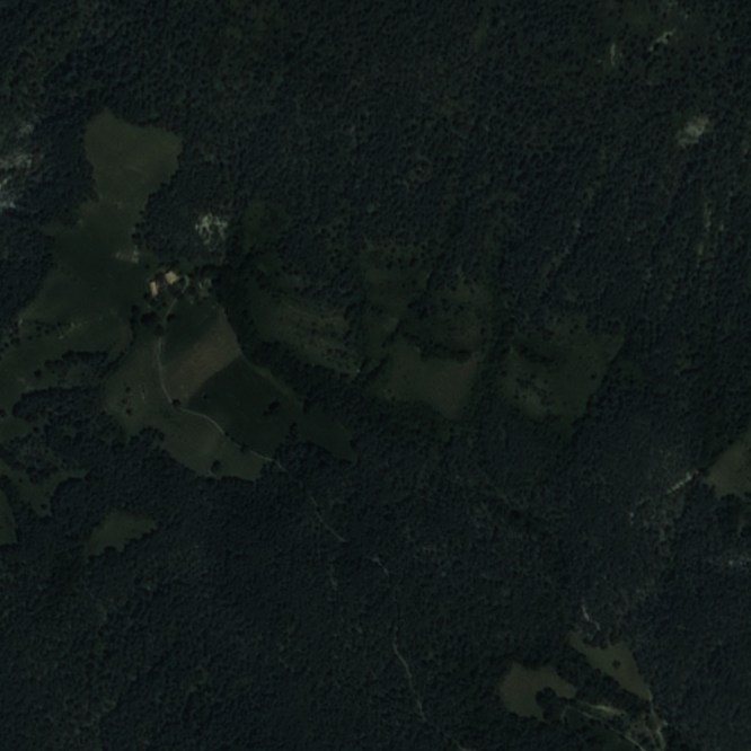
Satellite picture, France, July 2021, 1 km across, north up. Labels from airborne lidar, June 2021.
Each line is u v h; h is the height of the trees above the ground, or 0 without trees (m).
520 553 14
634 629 7
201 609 10
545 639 13
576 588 15
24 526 13
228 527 18
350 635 12
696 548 14
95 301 0
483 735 16
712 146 11
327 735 15
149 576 8
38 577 11
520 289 13
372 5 16
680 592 13
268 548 20
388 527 14
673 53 14
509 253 14
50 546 17
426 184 10
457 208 10
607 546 14
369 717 16
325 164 9
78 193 10
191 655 13
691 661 9
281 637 10
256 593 15
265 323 0
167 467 14
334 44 7
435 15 15
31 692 14
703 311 13
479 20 13
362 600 12
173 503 7
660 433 13
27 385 0
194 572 6
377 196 10
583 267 14
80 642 8
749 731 13
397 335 9
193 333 0
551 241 12
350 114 9
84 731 14
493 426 10
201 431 0
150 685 18
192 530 7
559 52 7
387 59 9
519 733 16
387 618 13
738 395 8
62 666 13
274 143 7
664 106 7
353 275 14
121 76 13
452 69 8
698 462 14
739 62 10
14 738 9
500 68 12
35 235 10
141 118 6
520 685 0
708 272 11
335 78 13
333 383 18
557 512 10
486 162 12
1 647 15
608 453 11
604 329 9
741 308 15
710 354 11
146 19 7
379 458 13
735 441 12
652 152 8
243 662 11
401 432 23
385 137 12
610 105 11
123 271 0
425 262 10
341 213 9
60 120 15
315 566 15
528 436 14
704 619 11
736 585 13
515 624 17
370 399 12
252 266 13
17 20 12
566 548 11
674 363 13
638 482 8
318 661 13
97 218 0
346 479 14
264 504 18
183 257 6
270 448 0
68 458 11
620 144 10
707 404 18
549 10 11
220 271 11
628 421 15
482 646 7
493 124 11
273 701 13
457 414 0
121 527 0
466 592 16
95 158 0
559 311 8
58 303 0
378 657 16
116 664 10
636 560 12
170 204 13
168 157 0
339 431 0
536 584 14
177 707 11
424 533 13
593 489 13
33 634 14
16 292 12
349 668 15
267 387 0
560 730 12
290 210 10
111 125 0
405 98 11
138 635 14
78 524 10
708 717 10
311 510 13
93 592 8
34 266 15
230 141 6
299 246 11
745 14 9
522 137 9
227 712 13
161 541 11
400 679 13
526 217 13
